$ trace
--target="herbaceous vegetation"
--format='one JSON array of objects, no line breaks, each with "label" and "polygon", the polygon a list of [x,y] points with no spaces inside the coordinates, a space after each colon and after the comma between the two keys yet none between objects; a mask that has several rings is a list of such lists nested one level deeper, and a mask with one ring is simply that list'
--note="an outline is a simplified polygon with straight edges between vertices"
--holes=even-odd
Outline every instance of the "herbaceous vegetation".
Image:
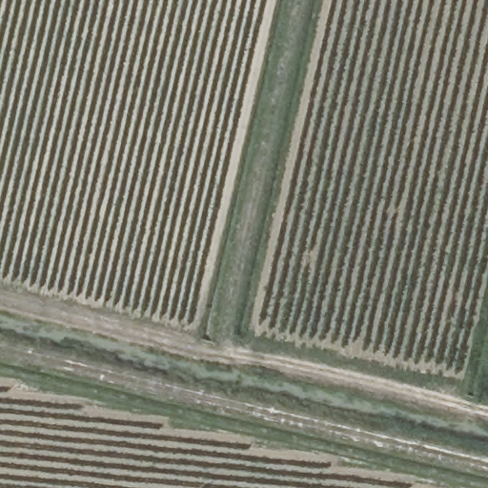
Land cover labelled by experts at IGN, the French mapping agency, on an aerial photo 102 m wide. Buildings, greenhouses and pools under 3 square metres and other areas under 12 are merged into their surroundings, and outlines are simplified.
[{"label": "herbaceous vegetation", "polygon": [[[284,372],[273,387],[261,387],[248,379],[236,377],[233,381],[227,381],[217,376],[204,377],[193,368],[175,366],[164,362],[164,368],[168,370],[166,376],[152,377],[114,366],[72,358],[65,353],[32,349],[27,343],[17,343],[15,339],[0,334],[0,360],[25,366],[17,379],[44,393],[93,398],[99,400],[103,408],[111,410],[170,417],[170,425],[175,429],[229,431],[234,435],[254,437],[248,448],[267,446],[274,450],[303,450],[324,452],[332,456],[347,456],[351,459],[341,461],[339,467],[381,469],[433,478],[435,486],[440,488],[488,488],[488,456],[431,444],[416,438],[387,435],[381,431],[387,427],[389,421],[395,421],[412,429],[423,429],[427,433],[440,433],[488,444],[488,419],[456,412],[452,408],[429,406],[419,400],[406,400],[393,393],[366,391],[345,383],[332,383],[330,379],[294,376]],[[332,406],[326,398],[301,398],[286,391],[286,383],[297,385],[301,391],[324,391],[328,395],[334,395],[334,398],[341,398],[351,408]]]}]

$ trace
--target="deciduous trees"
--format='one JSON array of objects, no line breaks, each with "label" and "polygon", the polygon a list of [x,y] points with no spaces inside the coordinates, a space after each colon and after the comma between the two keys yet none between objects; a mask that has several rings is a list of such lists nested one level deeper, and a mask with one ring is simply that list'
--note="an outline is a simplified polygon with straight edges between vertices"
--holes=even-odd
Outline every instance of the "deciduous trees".
[{"label": "deciduous trees", "polygon": [[25,366],[0,360],[0,377],[17,379]]},{"label": "deciduous trees", "polygon": [[273,387],[284,372],[261,364],[223,364],[200,358],[198,366],[215,372],[234,372],[236,377],[248,379],[261,387]]},{"label": "deciduous trees", "polygon": [[440,433],[427,433],[423,429],[412,429],[395,421],[389,421],[387,427],[381,431],[387,435],[416,438],[431,444],[488,456],[488,444]]},{"label": "deciduous trees", "polygon": [[478,320],[469,372],[465,376],[469,379],[469,389],[461,396],[465,400],[488,406],[488,286]]},{"label": "deciduous trees", "polygon": [[151,360],[164,362],[175,366],[177,362],[187,362],[189,358],[173,355],[158,347],[149,347]]}]

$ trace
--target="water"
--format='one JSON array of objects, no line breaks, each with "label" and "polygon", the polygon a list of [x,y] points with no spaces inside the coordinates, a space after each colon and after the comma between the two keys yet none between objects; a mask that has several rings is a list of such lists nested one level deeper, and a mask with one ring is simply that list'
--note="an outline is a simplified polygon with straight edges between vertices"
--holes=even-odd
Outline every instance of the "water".
[{"label": "water", "polygon": [[122,358],[145,360],[147,366],[164,368],[164,362],[151,360],[149,347],[139,343],[124,343],[105,334],[91,334],[88,330],[80,328],[63,328],[61,324],[27,318],[0,309],[0,334],[15,339],[17,343],[27,343],[32,349],[65,353],[72,358],[114,366],[111,353],[118,351]]},{"label": "water", "polygon": [[217,376],[227,381],[233,381],[236,377],[234,372],[215,372],[198,366],[200,358],[189,358],[187,362],[177,362],[175,366],[193,368],[204,377]]},{"label": "water", "polygon": [[324,391],[301,391],[297,385],[286,383],[286,391],[301,398],[326,398],[332,406],[351,408],[341,398],[334,398],[334,395],[328,395]]}]

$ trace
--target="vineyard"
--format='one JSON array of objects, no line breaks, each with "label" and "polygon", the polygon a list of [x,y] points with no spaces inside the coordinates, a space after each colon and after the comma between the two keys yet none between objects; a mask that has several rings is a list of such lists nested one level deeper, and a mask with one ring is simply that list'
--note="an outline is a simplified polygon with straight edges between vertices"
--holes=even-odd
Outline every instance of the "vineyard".
[{"label": "vineyard", "polygon": [[44,393],[17,379],[0,377],[0,488],[440,488],[435,486],[433,478],[381,469],[339,467],[341,461],[351,459],[347,456],[332,456],[324,452],[303,450],[274,450],[267,446],[248,448],[254,437],[234,435],[229,431],[175,429],[170,425],[170,417],[111,410],[103,408],[99,400],[93,398]]},{"label": "vineyard", "polygon": [[189,358],[200,358],[223,364],[261,364],[284,372],[294,376],[330,379],[332,383],[345,383],[366,391],[393,393],[406,400],[419,400],[429,406],[452,408],[456,412],[488,419],[488,406],[465,400],[461,396],[469,389],[469,379],[465,376],[469,372],[478,320],[488,286],[488,0],[0,0],[0,309],[27,318],[61,324],[63,328],[80,328],[88,330],[91,334],[105,334],[124,343],[139,343],[149,347],[158,347],[173,355]]},{"label": "vineyard", "polygon": [[114,366],[152,377],[166,376],[168,370],[164,368],[147,366],[145,360],[122,358],[118,351],[111,353]]}]

